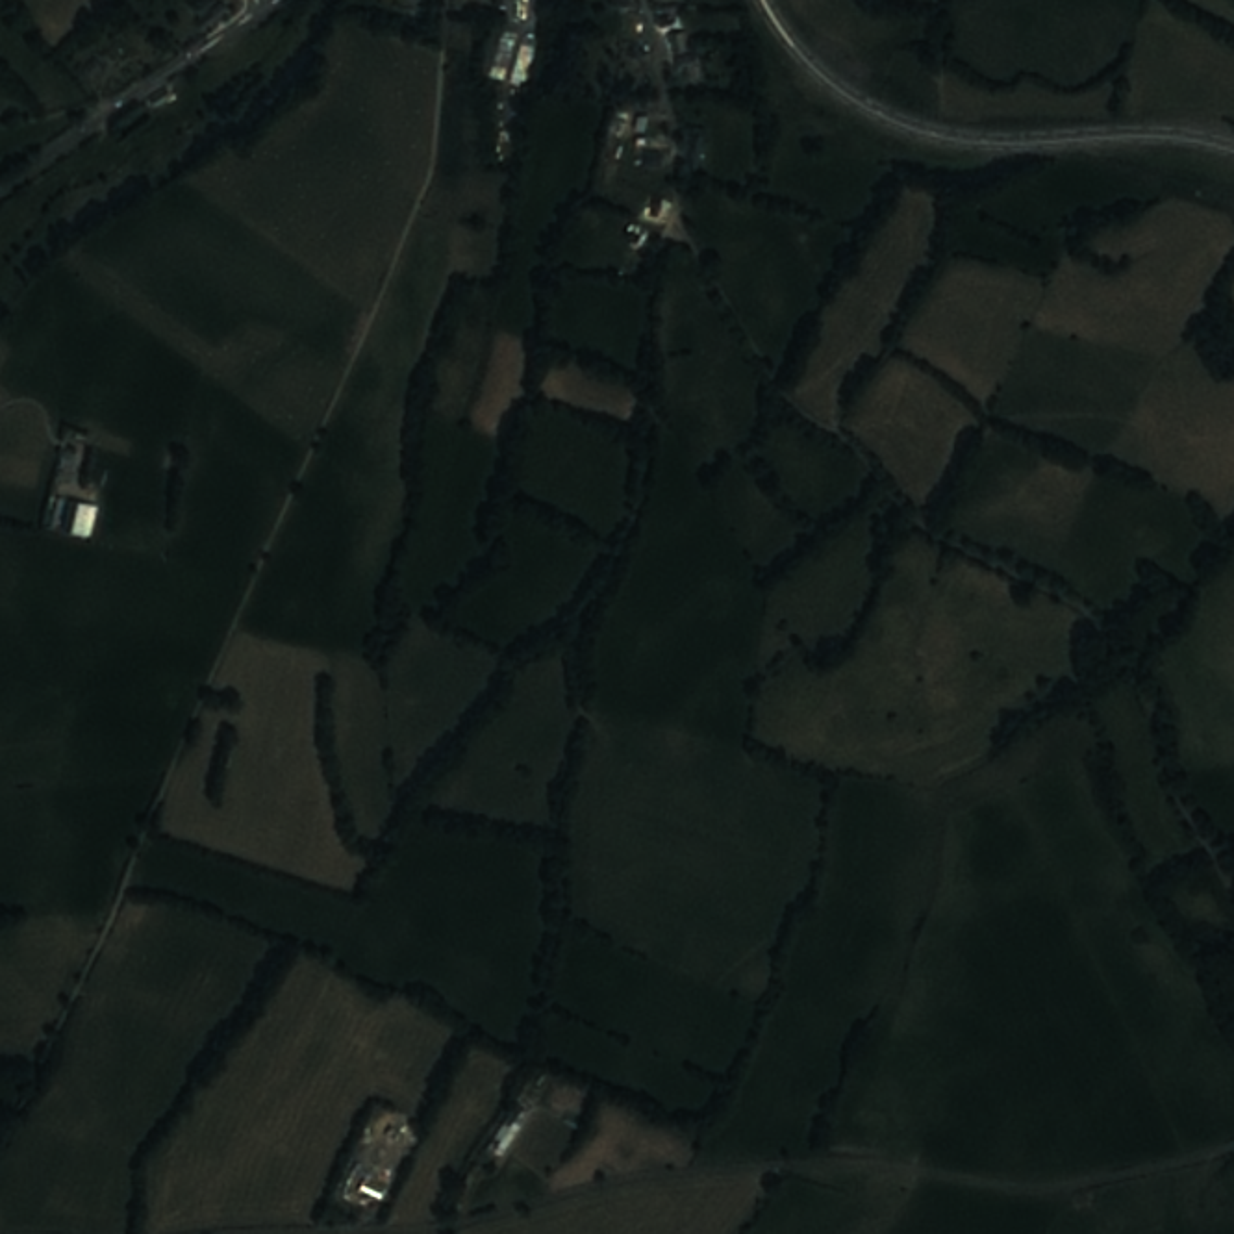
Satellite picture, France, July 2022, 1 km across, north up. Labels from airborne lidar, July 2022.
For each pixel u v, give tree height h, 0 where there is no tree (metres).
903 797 0
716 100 12
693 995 0
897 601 0
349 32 0
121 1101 0
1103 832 0
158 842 7
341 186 0
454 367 0
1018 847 0
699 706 0
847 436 11
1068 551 0
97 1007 0
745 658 0
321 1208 13
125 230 0
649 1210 0
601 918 0
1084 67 0
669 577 0
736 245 0
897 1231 0
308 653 0
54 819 0
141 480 0
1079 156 0
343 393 0
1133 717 0
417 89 0
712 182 9
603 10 10
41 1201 0
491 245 0
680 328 0
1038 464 0
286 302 0
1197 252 0
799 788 0
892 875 0
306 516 0
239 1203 0
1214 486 0
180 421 0
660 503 0
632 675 0
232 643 0
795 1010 0
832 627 0
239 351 0
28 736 0
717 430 0
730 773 0
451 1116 0
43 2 0
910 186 15
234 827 0
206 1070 20
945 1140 0
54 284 0
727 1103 18
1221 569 13
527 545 0
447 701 0
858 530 0
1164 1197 0
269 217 0
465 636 16
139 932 0
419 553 0
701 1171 0
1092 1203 0
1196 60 0
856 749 0
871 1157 0
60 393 0
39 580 0
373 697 0
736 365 0
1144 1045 0
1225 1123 0
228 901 0
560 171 0
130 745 0
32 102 16
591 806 0
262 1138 0
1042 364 0
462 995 0
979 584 0
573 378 0
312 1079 0
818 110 0
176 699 0
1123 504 0
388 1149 0
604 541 7
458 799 0
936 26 17
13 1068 19
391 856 19
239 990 0
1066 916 0
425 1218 0
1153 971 0
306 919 0
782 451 0
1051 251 0
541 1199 0
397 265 0
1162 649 16
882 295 0
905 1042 0
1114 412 0
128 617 0
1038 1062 0
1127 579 0
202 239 0
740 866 0
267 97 15
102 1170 0
